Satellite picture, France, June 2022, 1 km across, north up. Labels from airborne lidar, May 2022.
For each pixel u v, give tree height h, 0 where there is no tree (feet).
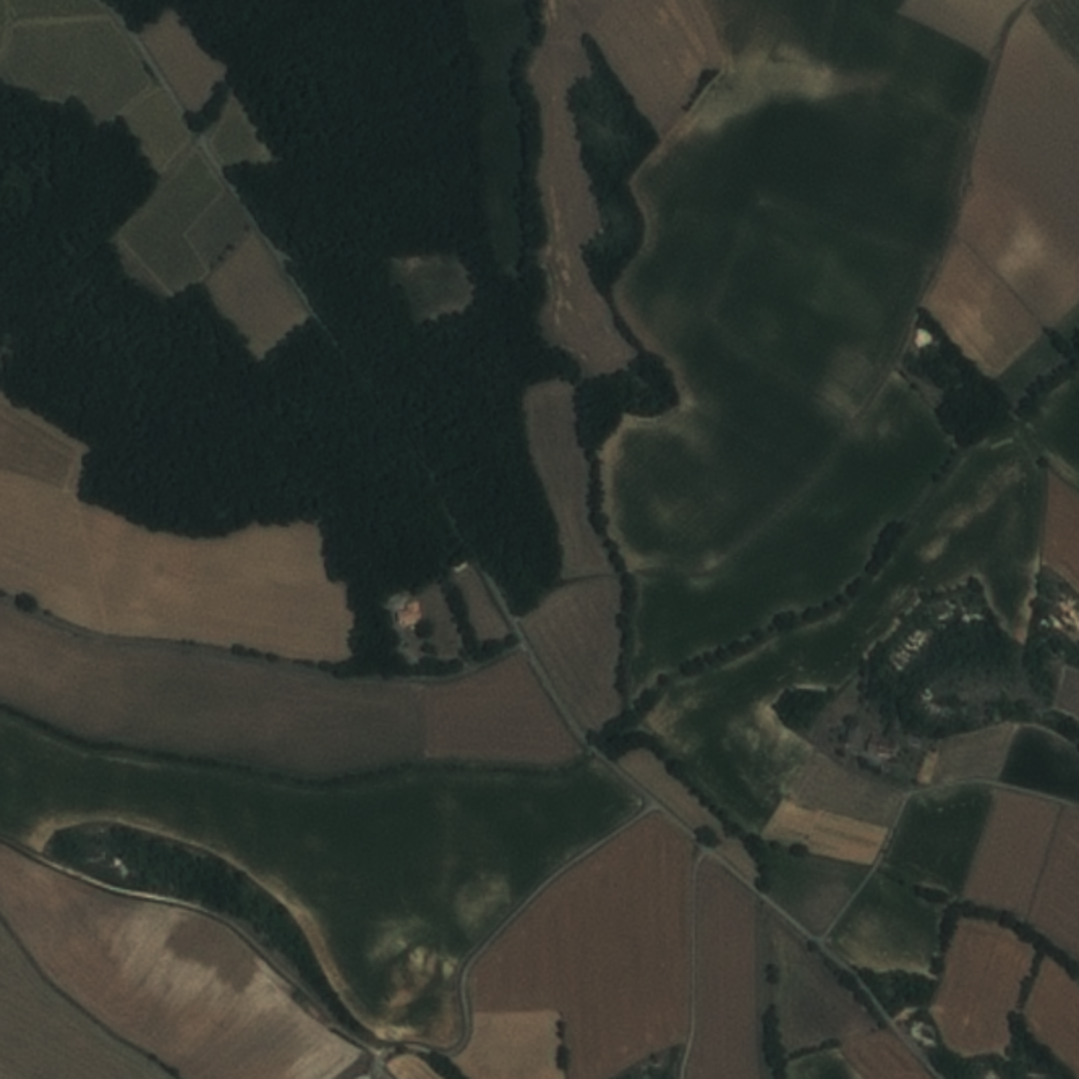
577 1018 0
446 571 29
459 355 63
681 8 0
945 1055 23
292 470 56
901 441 0
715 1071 0
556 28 0
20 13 0
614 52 0
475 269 64
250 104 49
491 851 0
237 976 0
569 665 0
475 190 56
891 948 0
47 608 19
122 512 36
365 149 52
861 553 0
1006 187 0
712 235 0
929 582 0
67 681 0
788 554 0
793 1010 0
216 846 0
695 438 0
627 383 21
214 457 37
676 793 0
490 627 0
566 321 0
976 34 0
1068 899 0
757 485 0
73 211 44
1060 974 0
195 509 42
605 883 0
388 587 32
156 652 0
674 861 0
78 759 0
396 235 54
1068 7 0
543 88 0
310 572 0
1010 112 0
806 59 0
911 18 0
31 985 0
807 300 0
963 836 0
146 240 0
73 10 0
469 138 58
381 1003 0
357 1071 0
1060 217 0
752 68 0
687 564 0
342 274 45
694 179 0
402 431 54
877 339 0
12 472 0
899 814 0
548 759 0
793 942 0
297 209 51
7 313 45
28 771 0
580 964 0
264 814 0
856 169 0
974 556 0
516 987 0
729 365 0
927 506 0
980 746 0
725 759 0
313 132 62
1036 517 0
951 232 0
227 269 0
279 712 0
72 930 0
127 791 0
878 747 0
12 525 0
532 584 38
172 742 0
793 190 0
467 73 66
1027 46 0
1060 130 0
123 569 0
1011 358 0
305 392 55
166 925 0
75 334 47
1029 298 0
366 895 0
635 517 0
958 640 18
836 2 0
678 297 0
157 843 35
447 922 0
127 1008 0
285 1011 0
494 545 39
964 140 0
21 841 0
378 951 0
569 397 0
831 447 0
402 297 60
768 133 0
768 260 0
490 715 0
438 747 0
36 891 0
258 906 22
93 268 47
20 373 31
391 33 47
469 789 0
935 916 0
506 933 0
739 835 52
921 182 0
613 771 0
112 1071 0
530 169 50
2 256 39
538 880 0
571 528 0
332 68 48
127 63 0
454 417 56
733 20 0
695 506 0
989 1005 0
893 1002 22
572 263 0
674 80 0
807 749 0
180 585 0
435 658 31
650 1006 0
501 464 52
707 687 0
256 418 53
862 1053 0
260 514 49
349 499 50
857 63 0
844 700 0
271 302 0
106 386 48
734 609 0
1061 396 0
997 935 0
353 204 53
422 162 52
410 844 0
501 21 0
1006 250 0
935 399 0
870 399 0
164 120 0
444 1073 32
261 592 0
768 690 0
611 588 0
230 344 56
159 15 48
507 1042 0
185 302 58
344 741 0
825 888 0
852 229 0
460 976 0
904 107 0
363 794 0
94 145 47
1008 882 0
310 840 0
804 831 0
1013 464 0
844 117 0
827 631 0
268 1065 0
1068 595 0
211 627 0
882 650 24
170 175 0
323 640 0
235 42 55
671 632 0
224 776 0
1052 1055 35
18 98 54
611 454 0
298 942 23
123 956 0
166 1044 0
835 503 0
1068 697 0
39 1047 0
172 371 52
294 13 51
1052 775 0
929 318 31
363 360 59
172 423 52
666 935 0
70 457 0
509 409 57
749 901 0
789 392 0
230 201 0
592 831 0
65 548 0
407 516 55
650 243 0
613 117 20
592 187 27
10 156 52
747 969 0
